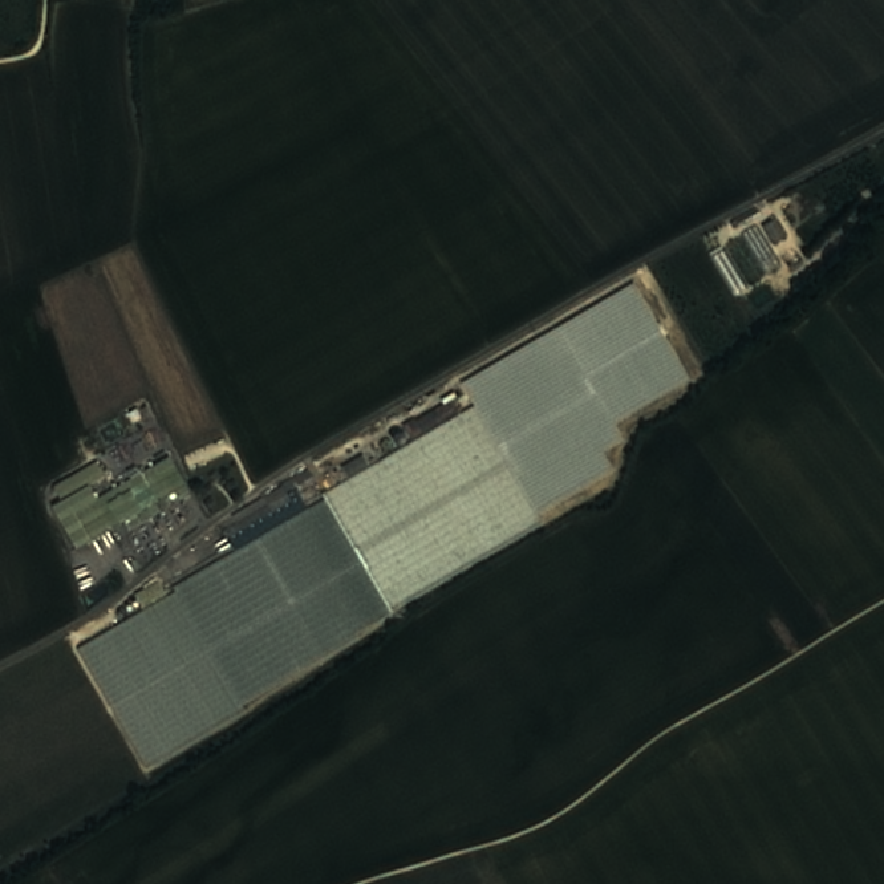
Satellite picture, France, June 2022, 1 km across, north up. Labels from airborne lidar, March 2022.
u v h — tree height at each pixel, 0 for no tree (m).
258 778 0
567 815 0
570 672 0
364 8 0
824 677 0
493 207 0
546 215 0
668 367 0
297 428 0
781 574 0
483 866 0
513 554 0
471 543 0
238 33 0
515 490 0
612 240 0
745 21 0
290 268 0
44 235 0
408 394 0
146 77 0
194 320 0
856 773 0
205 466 0
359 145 0
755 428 0
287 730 0
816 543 0
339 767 0
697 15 0
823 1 0
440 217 0
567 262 0
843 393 0
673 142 0
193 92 0
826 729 0
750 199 0
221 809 0
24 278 0
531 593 0
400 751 0
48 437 0
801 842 0
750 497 0
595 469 0
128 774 0
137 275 0
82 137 0
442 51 0
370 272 0
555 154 0
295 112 0
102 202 0
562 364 0
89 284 0
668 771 0
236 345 0
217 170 0
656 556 0
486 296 0
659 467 0
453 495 0
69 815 0
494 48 0
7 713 0
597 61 0
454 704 0
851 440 0
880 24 0
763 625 0
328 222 0
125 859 0
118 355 0
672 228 0
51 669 0
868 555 0
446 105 0
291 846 0
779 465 0
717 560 0
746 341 17
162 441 0
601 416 0
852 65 0
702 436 0
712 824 0
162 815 0
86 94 0
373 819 0
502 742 0
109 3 0
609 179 0
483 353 0
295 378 0
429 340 0
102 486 0
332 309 0
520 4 0
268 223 0
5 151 0
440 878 0
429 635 0
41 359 0
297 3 0
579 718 0
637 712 0
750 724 0
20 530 0
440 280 0
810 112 0
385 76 0
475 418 0
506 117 0
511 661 0
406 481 0
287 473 0
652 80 0
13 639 0
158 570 0
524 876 0
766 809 0
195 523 0
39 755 0
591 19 0
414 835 0
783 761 0
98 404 0
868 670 0
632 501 0
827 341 0
